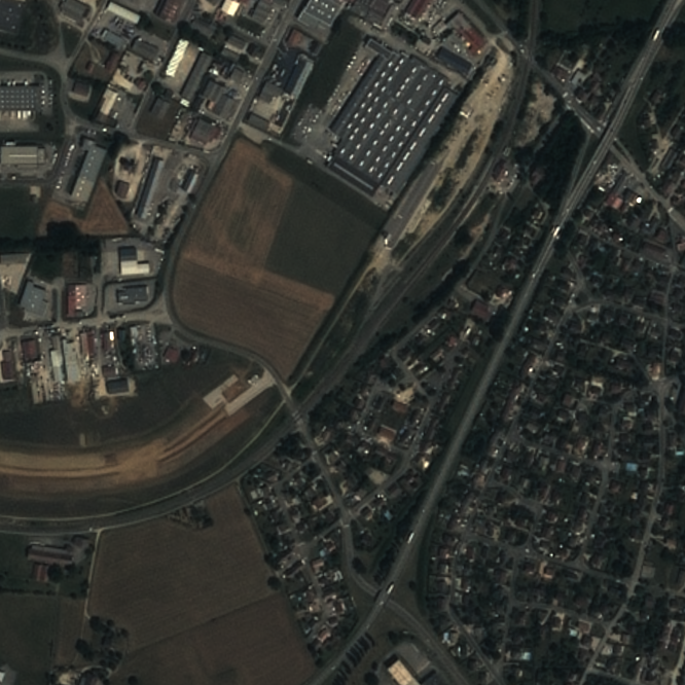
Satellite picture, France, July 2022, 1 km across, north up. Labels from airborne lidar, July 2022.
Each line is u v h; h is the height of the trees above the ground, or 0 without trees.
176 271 0
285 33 0
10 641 0
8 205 0
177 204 0
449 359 0
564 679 7
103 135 0
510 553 0
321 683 0
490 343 10
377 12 0
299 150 0
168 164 0
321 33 0
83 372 0
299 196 0
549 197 15
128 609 0
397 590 0
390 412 0
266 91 0
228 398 0
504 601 12
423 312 13
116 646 0
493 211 0
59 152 0
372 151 0
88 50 0
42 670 0
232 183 0
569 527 7
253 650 0
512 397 0
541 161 10
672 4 0
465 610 19
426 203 0
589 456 5
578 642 7
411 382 0
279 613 0
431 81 0
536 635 6
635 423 0
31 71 0
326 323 0
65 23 0
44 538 0
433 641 0
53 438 0
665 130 0
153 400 0
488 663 0
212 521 9
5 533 0
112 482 0
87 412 0
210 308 0
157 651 0
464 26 0
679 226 0
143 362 0
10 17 0
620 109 0
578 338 8
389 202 0
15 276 0
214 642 0
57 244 12
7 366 0
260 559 0
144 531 0
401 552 0
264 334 0
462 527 0
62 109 0
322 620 0
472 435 9
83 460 0
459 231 7
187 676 0
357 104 0
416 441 0
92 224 0
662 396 0
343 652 0
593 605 7
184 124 0
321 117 0
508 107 0
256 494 0
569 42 6
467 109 0
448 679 0
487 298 12
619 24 7
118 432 0
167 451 0
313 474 10
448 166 0
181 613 0
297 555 0
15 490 0
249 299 0
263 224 0
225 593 0
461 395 0
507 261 0
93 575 0
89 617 0
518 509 14
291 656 0
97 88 12
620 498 0
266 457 0
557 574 6
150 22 8
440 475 0
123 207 12
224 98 0
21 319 0
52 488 0
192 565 0
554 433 6
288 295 0
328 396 7
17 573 0
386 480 0
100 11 0
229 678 0
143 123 0
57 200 0
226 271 0
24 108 0
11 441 0
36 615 0
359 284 0
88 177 0
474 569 6
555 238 0
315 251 0
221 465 0
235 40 0
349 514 0
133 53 0
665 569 0
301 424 0
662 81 0
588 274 11
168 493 0
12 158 0
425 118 0
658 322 0
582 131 16
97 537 0
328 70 0
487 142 0
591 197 13
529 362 0
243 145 0
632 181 0
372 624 0
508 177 0
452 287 14
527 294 0
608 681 6
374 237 0
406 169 0
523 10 10
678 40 17
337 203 0
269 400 0
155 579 0
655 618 6
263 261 0
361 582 0
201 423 0
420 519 0
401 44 0
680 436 10
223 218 0
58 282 0
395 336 10
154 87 11
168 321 0
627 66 7
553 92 9
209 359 0
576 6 0
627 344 0
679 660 0
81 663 0
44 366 0
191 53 0
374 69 0
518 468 7
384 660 0
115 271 0
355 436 6
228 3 0
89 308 0
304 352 0
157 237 0
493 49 0
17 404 0
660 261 0
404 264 0
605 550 8
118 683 0
